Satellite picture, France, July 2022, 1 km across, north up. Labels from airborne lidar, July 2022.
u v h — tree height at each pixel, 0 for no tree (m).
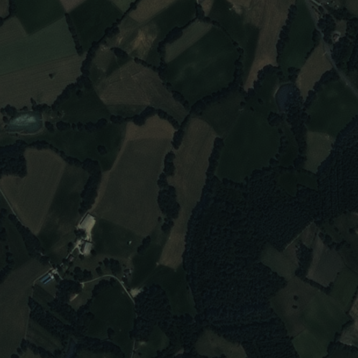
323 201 12
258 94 0
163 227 13
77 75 0
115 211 0
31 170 0
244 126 0
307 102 11
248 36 0
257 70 0
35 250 22
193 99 0
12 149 29
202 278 23
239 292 22
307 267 16
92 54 22
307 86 0
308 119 12
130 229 0
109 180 0
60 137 0
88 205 22
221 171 0
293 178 0
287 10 0
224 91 22
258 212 8
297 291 0
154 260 0
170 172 15
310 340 0
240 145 0
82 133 0
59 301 18
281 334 22
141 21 0
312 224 0
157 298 20
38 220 0
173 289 0
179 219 0
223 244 16
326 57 0
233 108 0
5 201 0
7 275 20
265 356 13
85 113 0
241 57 9
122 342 0
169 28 0
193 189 0
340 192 17
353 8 0
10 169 25
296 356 13
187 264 19
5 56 0
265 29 0
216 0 0
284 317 0
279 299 0
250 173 0
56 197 0
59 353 25
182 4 0
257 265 15
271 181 10
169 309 22
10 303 0
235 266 24
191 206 0
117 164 0
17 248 0
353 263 0
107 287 25
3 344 0
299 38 0
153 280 0
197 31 0
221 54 0
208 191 22
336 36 0
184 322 17
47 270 0
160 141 0
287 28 16
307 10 0
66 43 0
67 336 25
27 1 0
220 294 18
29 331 0
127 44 0
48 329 10
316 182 0
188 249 17
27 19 0
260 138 0
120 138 0
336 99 0
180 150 0
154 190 0
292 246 0
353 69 19
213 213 31
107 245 0
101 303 0
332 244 18
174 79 0
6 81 0
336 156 19
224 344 0
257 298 23
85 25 0
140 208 0
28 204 0
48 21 0
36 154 0
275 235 16
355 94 0
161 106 0
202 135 0
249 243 15
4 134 0
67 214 0
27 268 0
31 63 0
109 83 0
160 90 0
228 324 7
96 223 0
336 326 0
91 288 0
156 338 0
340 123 0
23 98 0
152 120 0
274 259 0
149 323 22
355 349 19
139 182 0
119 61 0
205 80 0
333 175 17
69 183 0
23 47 0
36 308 28
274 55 0
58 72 0
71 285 23
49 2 0
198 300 23
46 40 0
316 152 0
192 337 22
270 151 0
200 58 0
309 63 0
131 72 0
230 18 0
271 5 0
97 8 0
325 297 0
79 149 0
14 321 0
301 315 0
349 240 0
